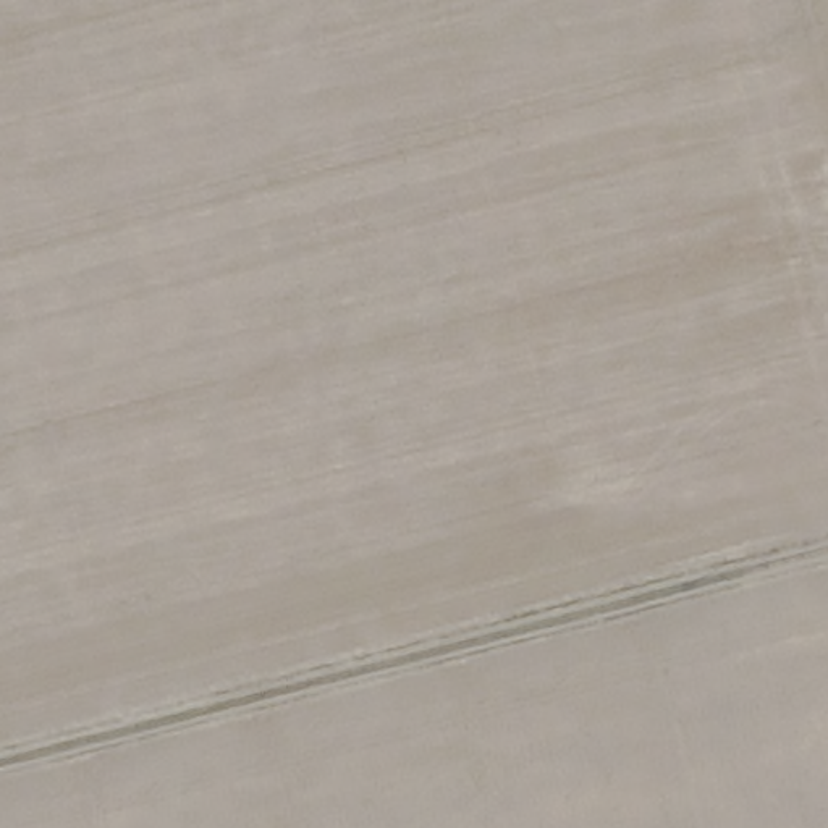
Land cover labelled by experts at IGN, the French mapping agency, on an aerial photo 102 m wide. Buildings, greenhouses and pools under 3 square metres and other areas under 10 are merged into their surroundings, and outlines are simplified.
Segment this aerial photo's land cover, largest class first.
<instances>
[{"label":"agricultural land","instance_id":"1","mask_svg":"<svg viewBox=\"0 0 828 828\"><path fill-rule=\"evenodd\" d=\"M828 530V0H0V741L36 734L42 728H55L65 721L94 718L113 708H133L168 695H184L210 682L249 673H272L317 657H333L353 647L378 644L385 637L430 631L475 615H492L501 608L534 605L543 598L595 589L602 582L653 572L670 563H682L689 556H702L721 547H737L744 540L786 534V540H812L815 534ZM705 598L695 605L673 608L666 615H647L621 627H602L579 637H550L547 644L524 650L514 640L511 653H498L482 663H466L430 676H404L375 689H359L311 705H291L265 718L230 721L184 737L136 744L129 750H123V744L116 741L104 747L94 760L0 779V828H828V569L779 579L773 585H757L721 598L702 592Z\"/></svg>","mask_w":828,"mask_h":828},{"label":"pervious surface","instance_id":"2","mask_svg":"<svg viewBox=\"0 0 828 828\"><path fill-rule=\"evenodd\" d=\"M828 569V530L815 534L812 540H786V534L744 540L737 547H721L702 556H689L682 563H670L653 572L602 582L595 589L543 598L534 605L501 608L492 615H475L430 631L385 637L378 644L353 647L333 657H317L272 673H249L210 682L184 695H168L133 708H113L94 718L65 721L55 728H42L36 734L0 741V779L94 760L104 747L116 741L123 744V750H129L136 744L184 737L230 721L265 718L291 705H311L359 689H375L404 676H430L466 663H482L498 653H511L514 640L524 650L547 644L550 637H579L602 627H621L647 615H666L673 608L695 605L705 598L702 592L721 598L757 585H773L779 579Z\"/></svg>","mask_w":828,"mask_h":828}]
</instances>
